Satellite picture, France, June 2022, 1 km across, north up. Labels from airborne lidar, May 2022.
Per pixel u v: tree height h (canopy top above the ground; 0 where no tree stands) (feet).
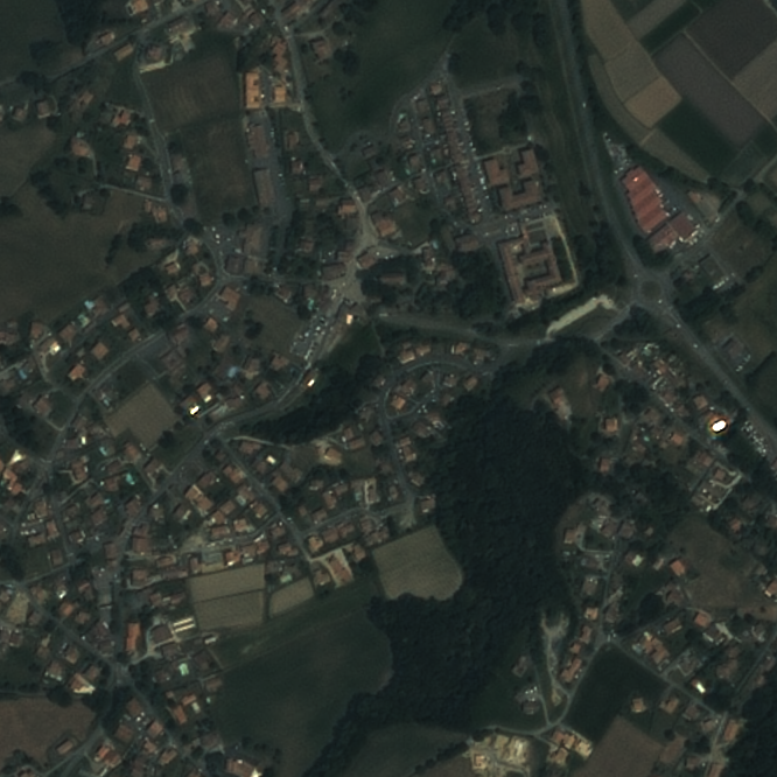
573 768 0
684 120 0
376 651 0
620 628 21
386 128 0
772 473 46
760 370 26
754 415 0
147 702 0
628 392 64
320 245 25
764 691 23
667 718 0
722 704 76
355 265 0
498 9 59
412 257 35
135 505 0
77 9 78
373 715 99
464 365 0
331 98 0
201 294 18
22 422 47
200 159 0
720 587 0
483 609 90
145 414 0
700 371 0
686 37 0
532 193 0
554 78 0
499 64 0
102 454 0
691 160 0
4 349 41
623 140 0
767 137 0
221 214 0
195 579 0
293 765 0
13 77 0
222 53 0
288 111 27
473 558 72
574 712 0
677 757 0
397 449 0
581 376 0
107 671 33
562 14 0
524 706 0
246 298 0
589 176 0
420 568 0
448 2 0
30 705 0
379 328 22
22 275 0
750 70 0
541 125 0
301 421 48
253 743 51
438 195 0
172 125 0
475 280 74
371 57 0
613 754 0
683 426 0
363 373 33
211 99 0
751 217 57
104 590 0
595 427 0
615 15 0
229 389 27
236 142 0
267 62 35
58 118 30
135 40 29
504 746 0
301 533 0
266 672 0
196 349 0
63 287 0
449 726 75
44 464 0
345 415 41
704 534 0
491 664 70
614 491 39
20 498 26
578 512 0
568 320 0
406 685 72
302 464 0
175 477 0
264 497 0
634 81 0
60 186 0
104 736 0
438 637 77
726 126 0
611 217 0
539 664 23
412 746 0
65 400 0
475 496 74
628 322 29
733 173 0
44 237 0
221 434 0
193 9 0
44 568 0
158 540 0
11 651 0
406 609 84
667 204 0
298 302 33
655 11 0
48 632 33
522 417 77
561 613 0
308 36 0
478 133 21
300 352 0
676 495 55
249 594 0
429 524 18
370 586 0
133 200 0
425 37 0
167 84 0
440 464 18
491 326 62
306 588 0
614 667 0
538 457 45
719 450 0
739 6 0
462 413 37
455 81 0
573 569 23
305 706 0
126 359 0
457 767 0
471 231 26
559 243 52
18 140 0
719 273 0
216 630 0
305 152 0
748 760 54
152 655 0
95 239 0
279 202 0
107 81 0
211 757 39
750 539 43
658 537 19
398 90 0
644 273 0
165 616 0
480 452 89
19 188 0
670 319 0
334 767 100
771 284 0
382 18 0
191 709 0
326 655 0
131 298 29
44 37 0
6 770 26
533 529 67
